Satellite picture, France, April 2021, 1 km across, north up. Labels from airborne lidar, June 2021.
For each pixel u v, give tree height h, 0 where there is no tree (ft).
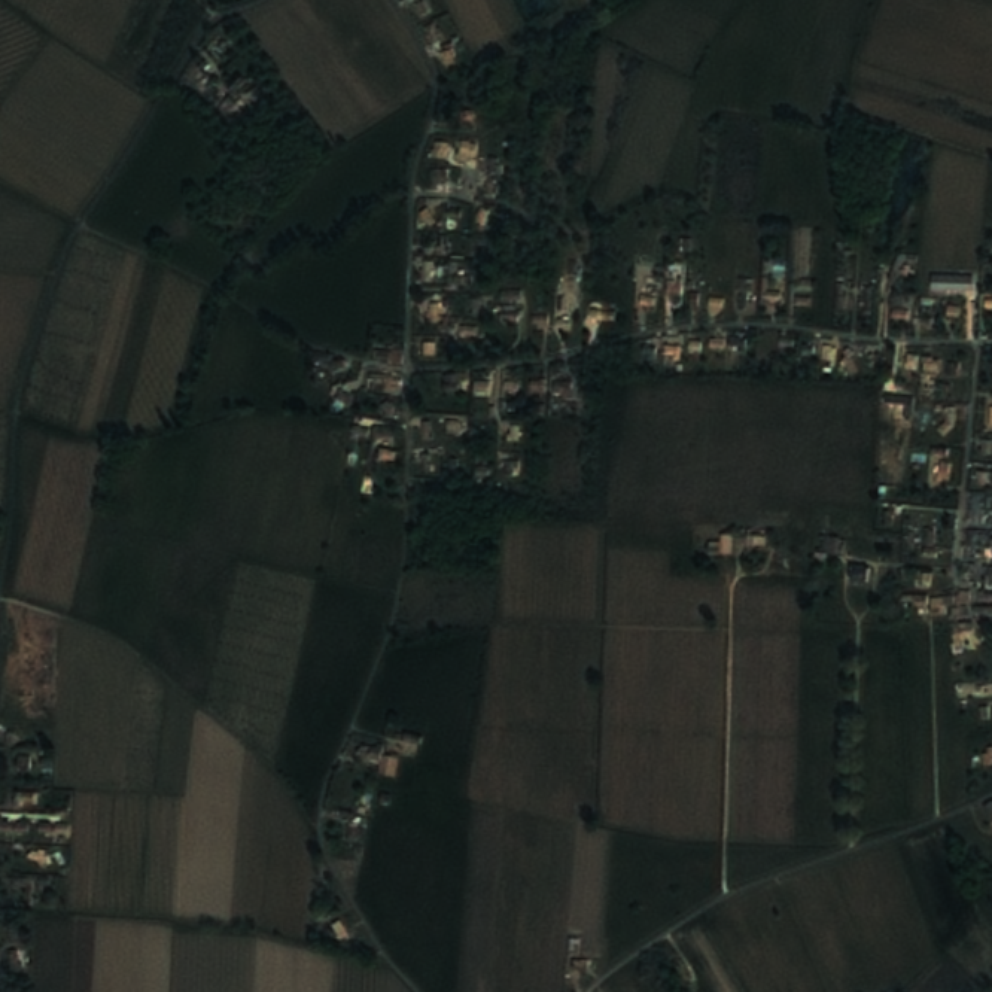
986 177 0
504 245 78
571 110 49
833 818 0
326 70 0
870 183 69
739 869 0
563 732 0
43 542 0
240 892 0
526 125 0
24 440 0
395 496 37
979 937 0
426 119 22
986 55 0
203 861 0
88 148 0
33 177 0
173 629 0
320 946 53
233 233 33
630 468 0
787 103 0
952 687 0
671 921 0
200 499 0
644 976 42
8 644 0
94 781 0
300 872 0
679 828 0
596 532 0
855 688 37
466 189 0
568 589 0
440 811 0
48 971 0
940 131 0
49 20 0
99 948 0
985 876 49
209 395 0
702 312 20
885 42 0
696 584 0
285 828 0
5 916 26
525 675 0
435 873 0
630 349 37
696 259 25
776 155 0
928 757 0
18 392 0
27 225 0
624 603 0
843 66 0
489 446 44
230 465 0
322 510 0
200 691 0
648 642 0
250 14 0
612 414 0
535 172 52
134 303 0
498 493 49
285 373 0
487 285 74
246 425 0
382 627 0
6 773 28
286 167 54
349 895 0
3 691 0
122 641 0
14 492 0
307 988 0
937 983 0
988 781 34
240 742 0
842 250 33
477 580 31
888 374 67
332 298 0
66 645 0
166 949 0
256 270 45
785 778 0
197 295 0
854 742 78
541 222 45
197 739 0
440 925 0
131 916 0
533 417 50
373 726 0
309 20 0
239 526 0
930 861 0
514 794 0
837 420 0
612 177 0
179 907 0
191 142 0
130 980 0
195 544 0
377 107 0
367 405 23
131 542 0
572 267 0
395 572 0
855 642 0
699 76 23
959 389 0
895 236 43
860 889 0
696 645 0
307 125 58
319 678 0
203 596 0
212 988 0
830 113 0
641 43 0
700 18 0
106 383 0
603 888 0
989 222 0
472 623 0
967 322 0
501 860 0
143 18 0
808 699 0
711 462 0
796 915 0
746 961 0
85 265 0
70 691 0
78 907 0
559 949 0
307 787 0
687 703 0
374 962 49
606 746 0
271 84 38
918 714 0
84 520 0
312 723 0
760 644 0
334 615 0
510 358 41
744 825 0
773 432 0
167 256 44
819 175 0
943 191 0
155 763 0
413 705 0
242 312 0
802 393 0
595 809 0
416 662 0
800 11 0
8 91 0
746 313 0
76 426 0
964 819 0
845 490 0
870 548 0
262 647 0
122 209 0
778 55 0
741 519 0
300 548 0
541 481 29
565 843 0
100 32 0
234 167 41
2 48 0
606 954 0
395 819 0
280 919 0
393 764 0
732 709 0
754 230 0
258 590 0
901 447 0
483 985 0
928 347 0
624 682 0
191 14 56
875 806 0
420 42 0
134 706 0
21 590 0
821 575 65
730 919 0
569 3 21
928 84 0
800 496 0
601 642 0
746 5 0
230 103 0
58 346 0
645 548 0
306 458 0
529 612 0
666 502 0
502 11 0
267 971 0
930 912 0
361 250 0
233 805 0
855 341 0
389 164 0
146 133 0
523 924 0
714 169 27
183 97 40
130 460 41
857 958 0
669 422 0
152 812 0
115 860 0
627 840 0
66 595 0
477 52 0
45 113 0
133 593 0
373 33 0
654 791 0
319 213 0
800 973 0
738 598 0
